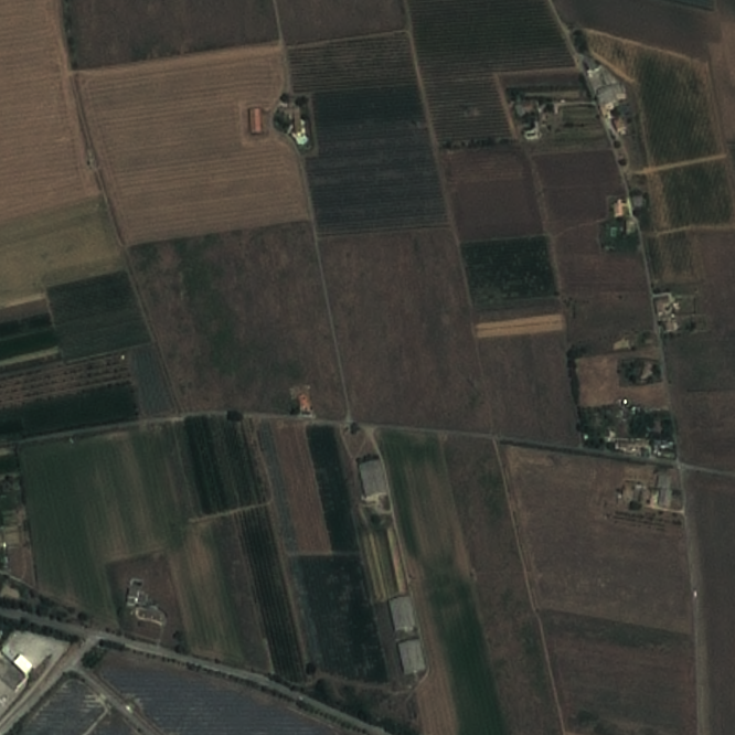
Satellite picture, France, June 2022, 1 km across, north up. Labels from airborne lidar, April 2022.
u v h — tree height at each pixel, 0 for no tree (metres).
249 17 0
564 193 0
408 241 0
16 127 0
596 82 0
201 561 0
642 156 0
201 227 0
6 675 0
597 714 0
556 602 0
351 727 11
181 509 0
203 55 0
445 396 0
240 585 0
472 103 0
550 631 0
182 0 0
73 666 0
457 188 0
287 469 0
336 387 0
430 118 0
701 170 0
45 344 0
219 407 0
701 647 0
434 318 0
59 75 0
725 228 0
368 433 0
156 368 0
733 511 0
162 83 0
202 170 0
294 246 0
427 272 0
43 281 0
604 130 0
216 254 0
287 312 0
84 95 0
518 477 0
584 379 0
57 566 0
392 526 0
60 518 0
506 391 0
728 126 0
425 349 0
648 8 0
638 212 9
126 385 6
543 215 0
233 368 0
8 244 0
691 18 0
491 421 0
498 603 0
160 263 0
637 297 0
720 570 0
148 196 0
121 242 0
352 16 0
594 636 0
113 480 0
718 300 0
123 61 0
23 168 0
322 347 0
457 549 0
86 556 0
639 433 6
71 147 0
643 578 0
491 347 0
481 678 0
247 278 0
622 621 0
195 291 0
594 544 0
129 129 0
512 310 0
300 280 0
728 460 0
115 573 0
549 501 0
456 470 0
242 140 0
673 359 0
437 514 0
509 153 0
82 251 0
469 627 0
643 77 0
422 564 0
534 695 0
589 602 0
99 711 0
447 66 0
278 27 0
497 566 0
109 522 0
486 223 0
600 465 0
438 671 0
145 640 0
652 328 0
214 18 0
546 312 0
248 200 0
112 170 0
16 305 0
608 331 0
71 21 0
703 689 0
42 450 0
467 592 0
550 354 0
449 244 0
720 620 0
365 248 0
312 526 0
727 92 0
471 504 0
